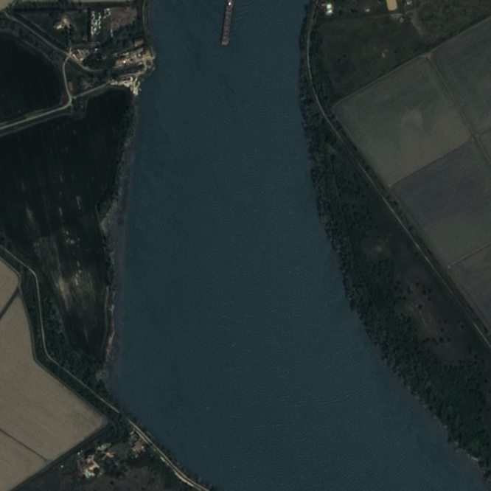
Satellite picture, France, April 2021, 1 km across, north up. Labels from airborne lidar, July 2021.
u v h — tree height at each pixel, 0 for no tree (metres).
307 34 11
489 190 0
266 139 0
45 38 5
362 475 0
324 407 0
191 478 12
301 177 0
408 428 0
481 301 0
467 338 0
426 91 0
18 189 0
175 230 0
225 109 0
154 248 0
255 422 0
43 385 0
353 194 9
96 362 0
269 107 0
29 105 0
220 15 0
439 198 0
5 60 0
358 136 0
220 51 0
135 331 0
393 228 0
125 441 7
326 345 0
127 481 0
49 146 0
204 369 0
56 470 0
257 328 0
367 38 0
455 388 8
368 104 0
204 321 0
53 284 0
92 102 0
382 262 8
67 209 0
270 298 0
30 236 0
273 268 0
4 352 0
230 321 0
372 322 17
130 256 0
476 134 0
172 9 0
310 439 0
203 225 0
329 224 6
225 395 0
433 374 7
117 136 0
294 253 0
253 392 0
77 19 0
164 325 0
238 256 0
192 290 0
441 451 0
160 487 0
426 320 0
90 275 0
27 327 0
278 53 0
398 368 19
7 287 0
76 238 0
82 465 9
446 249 0
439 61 0
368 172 10
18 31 7
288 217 0
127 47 12
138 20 13
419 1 0
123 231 0
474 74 0
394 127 0
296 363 0
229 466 0
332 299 0
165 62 0
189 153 0
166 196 0
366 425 0
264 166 0
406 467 0
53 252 0
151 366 0
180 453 0
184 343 0
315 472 0
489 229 0
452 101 0
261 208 0
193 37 0
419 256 6
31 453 0
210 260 0
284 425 0
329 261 0
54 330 16
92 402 9
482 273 0
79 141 0
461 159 0
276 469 0
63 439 0
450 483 0
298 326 0
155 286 0
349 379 0
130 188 0
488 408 0
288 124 0
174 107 0
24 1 0
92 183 0
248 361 0
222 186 0
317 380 0
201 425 0
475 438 11
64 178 0
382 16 0
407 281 0
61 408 0
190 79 0
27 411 0
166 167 0
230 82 0
